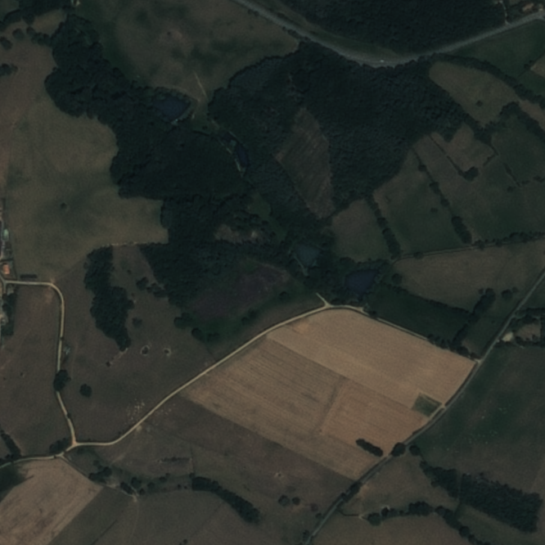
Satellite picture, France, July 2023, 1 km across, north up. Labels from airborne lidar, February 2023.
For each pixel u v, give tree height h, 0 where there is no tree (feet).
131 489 39
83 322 0
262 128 60
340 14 39
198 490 27
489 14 46
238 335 0
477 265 0
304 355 0
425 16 43
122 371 0
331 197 0
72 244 0
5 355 0
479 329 0
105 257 55
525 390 0
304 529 0
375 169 41
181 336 0
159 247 54
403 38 63
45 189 0
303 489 0
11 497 0
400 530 0
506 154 0
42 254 0
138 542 0
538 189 0
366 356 0
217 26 0
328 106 38
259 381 0
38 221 0
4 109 0
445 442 0
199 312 0
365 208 0
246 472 0
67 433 0
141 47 0
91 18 0
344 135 34
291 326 0
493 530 0
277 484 0
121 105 81
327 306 0
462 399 0
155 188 72
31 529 0
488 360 0
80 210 0
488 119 0
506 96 0
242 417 0
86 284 30
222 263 53
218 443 0
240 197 81
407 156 43
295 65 54
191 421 0
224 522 0
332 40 0
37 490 0
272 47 0
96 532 0
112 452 0
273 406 0
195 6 0
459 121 69
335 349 0
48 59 0
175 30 0
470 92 0
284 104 56
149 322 0
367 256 0
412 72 52
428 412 0
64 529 0
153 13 0
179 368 0
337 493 0
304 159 0
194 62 0
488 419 0
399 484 0
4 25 51
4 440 29
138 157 81
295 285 0
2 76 47
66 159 0
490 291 43
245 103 72
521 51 0
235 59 0
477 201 0
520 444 0
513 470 0
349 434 0
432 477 53
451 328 0
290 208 80
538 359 0
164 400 0
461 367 0
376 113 57
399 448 50
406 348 0
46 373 0
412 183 0
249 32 0
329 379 0
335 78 55
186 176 73
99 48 71
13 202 0
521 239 49
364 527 0
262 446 0
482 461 0
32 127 0
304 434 0
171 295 38
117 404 0
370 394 0
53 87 50
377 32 47
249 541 0
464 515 0
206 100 0
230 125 66
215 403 0
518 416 0
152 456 0
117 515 0
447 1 46
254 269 0
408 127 53
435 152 0
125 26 0
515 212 0
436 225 0
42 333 0
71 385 0
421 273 0
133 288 0
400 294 45
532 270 0
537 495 31
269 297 0
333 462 0
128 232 0
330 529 0
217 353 0
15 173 0
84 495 0
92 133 0
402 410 0
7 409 0
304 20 0
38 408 0
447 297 0
